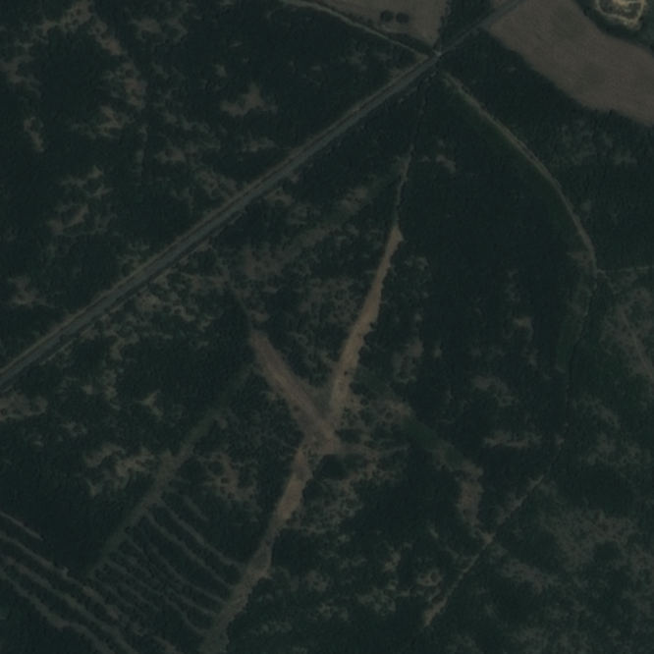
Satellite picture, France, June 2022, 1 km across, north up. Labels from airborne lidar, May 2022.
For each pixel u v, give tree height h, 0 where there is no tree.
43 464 12
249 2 8
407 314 7
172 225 14
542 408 8
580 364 11
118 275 8
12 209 11
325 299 6
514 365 8
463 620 8
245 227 12
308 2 8
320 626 8
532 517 6
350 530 10
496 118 8
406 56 11
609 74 0
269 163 10
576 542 6
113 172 7
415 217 12
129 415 7
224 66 8
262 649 6
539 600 7
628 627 7
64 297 7
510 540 8
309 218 11
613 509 7
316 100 11
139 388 11
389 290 6
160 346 7
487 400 10
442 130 12
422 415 9
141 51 8
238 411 9
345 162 12
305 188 9
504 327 9
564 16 0
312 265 6
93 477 10
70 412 9
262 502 9
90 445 8
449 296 10
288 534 7
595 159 8
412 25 0
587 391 6
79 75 10
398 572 9
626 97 0
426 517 10
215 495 7
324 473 8
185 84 6
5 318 12
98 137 6
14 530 16
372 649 12
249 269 0
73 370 9
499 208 13
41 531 15
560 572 7
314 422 0
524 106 9
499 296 11
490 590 7
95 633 13
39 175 10
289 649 8
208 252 9
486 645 12
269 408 7
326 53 10
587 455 6
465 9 10
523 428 8
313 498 9
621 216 8
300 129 8
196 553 12
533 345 7
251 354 11
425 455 10
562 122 10
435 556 8
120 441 8
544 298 12
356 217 10
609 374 7
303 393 0
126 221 10
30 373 9
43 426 10
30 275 7
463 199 11
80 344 7
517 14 0
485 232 11
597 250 8
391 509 12
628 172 11
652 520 6
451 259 11
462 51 8
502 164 11
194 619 8
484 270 10
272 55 12
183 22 9
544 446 7
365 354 10
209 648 0
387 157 10
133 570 13
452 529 8
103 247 11
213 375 9
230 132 8
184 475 12
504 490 6
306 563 9
